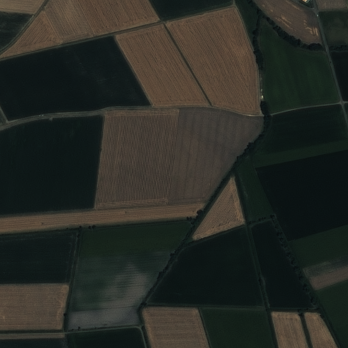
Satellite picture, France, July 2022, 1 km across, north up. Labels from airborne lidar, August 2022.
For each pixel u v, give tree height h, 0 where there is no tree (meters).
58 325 0
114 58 0
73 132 0
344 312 0
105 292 0
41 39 0
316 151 0
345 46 8
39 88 0
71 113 0
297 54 0
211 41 0
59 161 0
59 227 0
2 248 0
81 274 0
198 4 0
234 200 0
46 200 0
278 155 0
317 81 0
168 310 0
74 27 0
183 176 0
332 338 0
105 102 0
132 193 0
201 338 0
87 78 0
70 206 0
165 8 0
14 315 0
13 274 0
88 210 0
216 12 0
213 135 0
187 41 0
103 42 0
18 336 0
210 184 0
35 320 0
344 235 0
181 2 0
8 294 0
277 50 0
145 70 0
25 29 0
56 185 0
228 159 0
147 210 0
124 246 0
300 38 0
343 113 0
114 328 0
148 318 0
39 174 0
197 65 0
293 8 0
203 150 0
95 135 0
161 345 0
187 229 0
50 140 0
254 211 0
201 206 0
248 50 0
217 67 0
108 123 0
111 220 0
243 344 0
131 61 0
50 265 0
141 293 0
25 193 0
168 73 0
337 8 0
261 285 11
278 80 0
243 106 0
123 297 0
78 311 0
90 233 0
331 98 0
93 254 0
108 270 0
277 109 0
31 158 0
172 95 0
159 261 0
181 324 0
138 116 0
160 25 0
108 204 0
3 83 0
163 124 0
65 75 0
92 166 0
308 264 0
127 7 0
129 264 0
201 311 0
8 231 0
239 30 0
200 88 0
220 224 0
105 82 0
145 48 0
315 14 0
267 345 0
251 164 0
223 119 0
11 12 0
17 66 0
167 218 0
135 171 0
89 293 0
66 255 0
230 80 0
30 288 0
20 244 0
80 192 0
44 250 0
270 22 16
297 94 0
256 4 12
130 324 0
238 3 0
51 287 0
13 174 0
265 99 0
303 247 0
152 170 0
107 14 0
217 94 0
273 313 0
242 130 0
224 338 0
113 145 0
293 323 0
